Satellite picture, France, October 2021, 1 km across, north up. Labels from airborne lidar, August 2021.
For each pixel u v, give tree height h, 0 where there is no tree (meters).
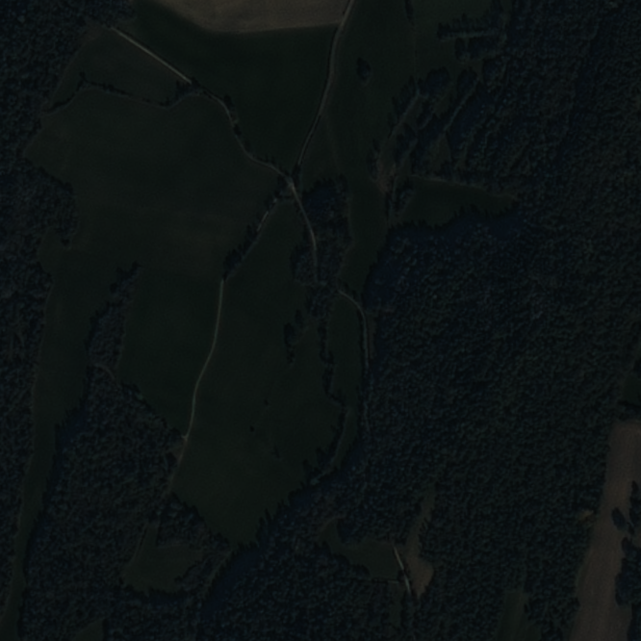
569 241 15
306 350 0
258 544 0
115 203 0
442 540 6
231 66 0
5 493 11
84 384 0
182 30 0
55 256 0
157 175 0
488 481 8
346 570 15
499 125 10
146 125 0
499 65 14
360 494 13
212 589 0
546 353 18
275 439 0
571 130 14
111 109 0
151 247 0
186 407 0
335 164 0
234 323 0
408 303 25
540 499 17
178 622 7
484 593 19
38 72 12
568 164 18
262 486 0
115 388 7
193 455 0
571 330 20
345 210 32
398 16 0
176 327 0
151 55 0
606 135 19
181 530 9
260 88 0
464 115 0
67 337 0
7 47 13
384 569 0
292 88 0
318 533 12
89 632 0
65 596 7
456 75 0
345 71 0
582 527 16
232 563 0
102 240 0
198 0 0
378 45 0
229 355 0
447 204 0
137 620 7
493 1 0
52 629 15
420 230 0
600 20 13
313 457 0
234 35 0
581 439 16
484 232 20
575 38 11
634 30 16
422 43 0
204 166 0
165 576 0
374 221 0
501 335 20
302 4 0
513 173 7
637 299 15
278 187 0
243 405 0
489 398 22
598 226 17
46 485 0
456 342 18
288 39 0
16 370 10
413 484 14
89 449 14
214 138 0
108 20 14
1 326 17
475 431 22
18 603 0
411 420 17
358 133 0
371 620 21
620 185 18
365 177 0
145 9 0
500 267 20
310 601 11
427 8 0
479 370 23
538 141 15
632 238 19
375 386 13
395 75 0
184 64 0
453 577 19
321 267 15
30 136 12
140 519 8
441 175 6
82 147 0
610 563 0
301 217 14
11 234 20
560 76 11
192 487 0
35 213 13
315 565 20
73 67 0
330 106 0
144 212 0
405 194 8
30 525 0
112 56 0
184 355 0
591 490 22
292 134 0
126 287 12
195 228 0
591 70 15
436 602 11
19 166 14
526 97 15
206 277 0
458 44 0
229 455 0
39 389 0
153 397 0
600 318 23
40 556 12
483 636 21
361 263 0
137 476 9
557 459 20
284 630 19
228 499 0
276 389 0
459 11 0
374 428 13
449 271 16
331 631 21
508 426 16
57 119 0
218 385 0
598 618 0
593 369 22
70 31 8
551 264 16
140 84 0
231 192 0
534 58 13
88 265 0
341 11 0
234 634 16
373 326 0
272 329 0
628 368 24
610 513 0
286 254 0
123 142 0
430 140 19
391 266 17
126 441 15
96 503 7
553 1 11
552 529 24
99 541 13
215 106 0
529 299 16
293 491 0
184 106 0
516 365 15
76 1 14
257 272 0
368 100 0
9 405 12
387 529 18
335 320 0
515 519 20
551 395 27
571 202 14
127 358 0
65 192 16
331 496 15
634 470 0
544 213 21
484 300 22
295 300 0
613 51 24
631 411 10
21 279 16
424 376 10
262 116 0
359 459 16
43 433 0
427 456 18
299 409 0
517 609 0
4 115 14
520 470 9
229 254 0
